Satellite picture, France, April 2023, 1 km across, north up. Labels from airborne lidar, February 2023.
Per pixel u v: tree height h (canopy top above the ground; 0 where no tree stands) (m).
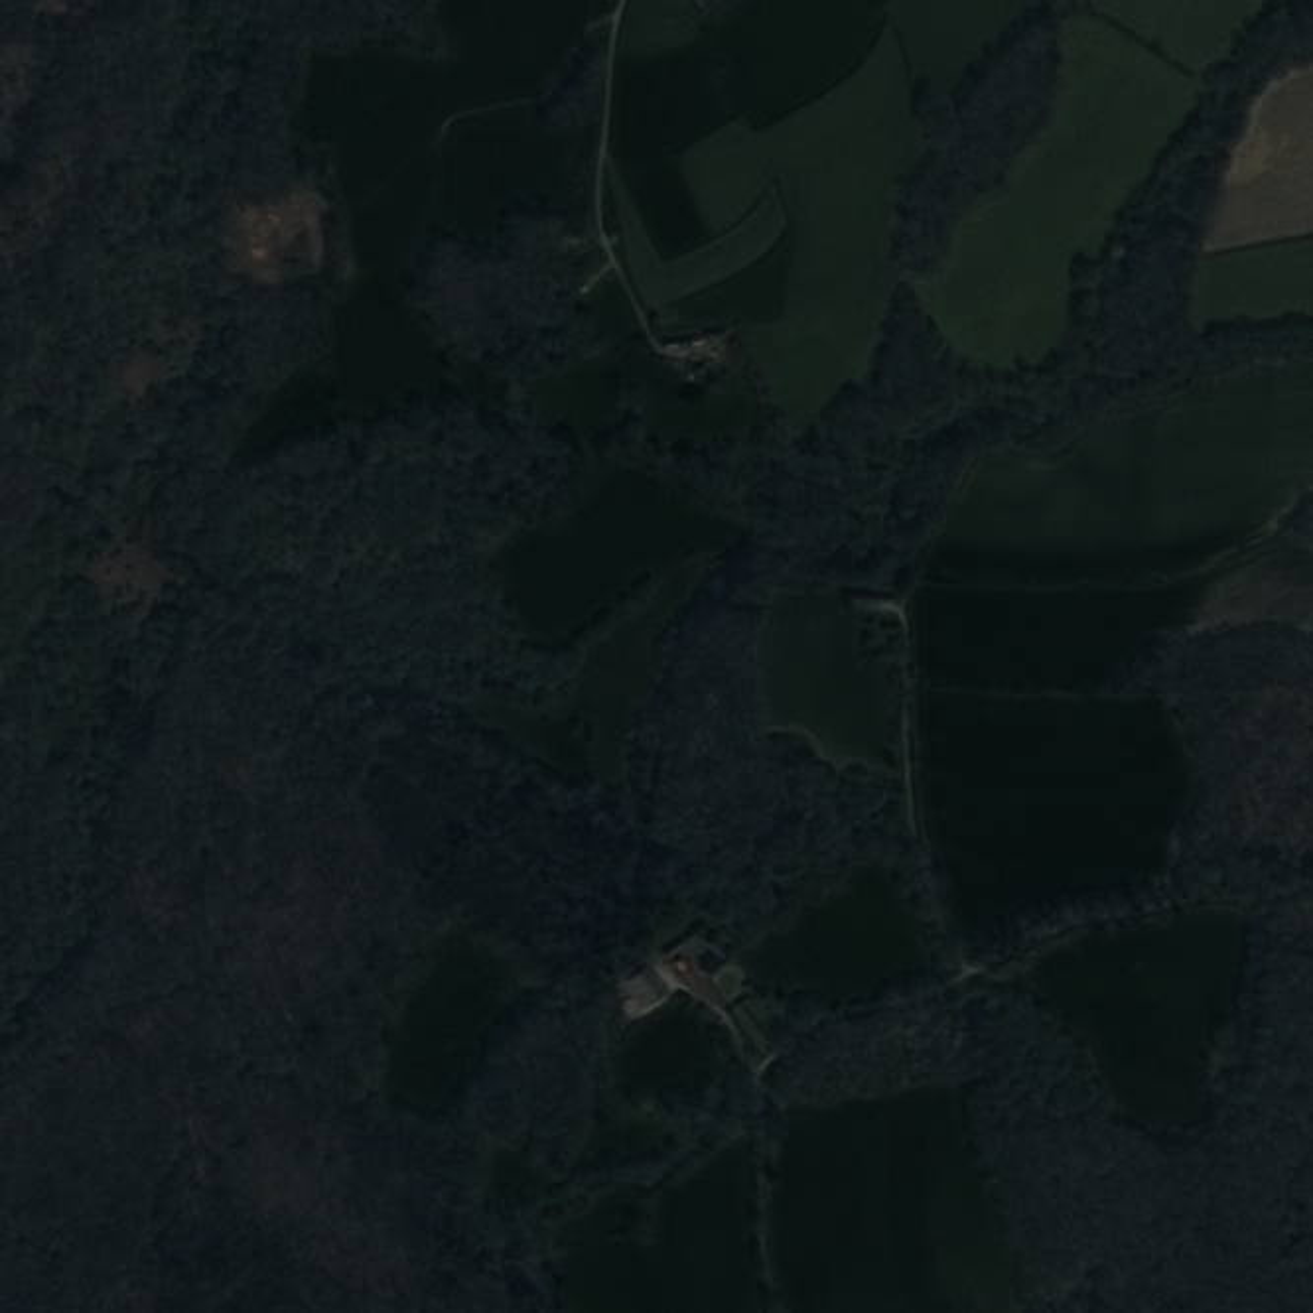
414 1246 23
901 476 7
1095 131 0
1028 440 13
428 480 9
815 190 0
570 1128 22
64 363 19
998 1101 17
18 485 17
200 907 17
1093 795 0
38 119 20
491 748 17
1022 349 0
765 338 0
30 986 11
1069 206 0
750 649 9
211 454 14
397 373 0
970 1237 0
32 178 18
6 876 12
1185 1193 19
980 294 0
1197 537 0
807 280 0
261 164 23
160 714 21
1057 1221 20
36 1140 22
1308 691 15
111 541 13
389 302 0
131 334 12
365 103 0
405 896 20
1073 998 0
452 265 20
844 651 0
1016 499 0
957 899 0
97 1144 22
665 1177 16
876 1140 0
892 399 21
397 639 14
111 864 22
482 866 15
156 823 20
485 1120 22
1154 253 20
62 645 14
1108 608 0
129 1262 9
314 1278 13
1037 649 0
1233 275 0
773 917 20
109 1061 25
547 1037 23
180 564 19
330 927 23
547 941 20
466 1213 26
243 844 18
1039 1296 15
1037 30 18
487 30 0
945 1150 0
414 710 18
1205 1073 14
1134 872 0
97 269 19
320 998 25
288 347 15
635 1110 23
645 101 0
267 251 0
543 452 17
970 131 20
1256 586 0
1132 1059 0
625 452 22
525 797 20
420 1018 0
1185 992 0
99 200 26
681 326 0
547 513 23
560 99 17
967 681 0
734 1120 21
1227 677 15
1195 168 9
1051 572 0
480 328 20
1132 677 14
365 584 12
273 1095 18
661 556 0
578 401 0
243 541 10
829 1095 18
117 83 21
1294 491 0
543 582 0
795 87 0
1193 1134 6
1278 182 0
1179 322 16
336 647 10
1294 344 18
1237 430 0
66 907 17
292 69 21
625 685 0
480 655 7
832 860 12
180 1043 21
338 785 22
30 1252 19
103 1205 22
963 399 16
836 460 21
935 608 0
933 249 14
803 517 23
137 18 20
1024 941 20
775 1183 12
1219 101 8
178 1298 10
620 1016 15
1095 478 0
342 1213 22
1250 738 18
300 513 14
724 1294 0
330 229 17
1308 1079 19
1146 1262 15
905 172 0
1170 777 0
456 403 22
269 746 22
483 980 0
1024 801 0
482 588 10
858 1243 0
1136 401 16
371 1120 17
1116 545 0
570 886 21
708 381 10
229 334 13
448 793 17
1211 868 22
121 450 16
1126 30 0
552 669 19
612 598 0
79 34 24
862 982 0
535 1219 15
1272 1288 19
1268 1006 20
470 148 0
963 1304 0
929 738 0
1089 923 16
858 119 0
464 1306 18
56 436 24
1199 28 0
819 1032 14
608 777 0
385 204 0
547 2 0
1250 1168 16
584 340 14
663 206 0
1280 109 0
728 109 0
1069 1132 22
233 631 20
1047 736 0
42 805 13
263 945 21
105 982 26
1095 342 17
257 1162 20
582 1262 0
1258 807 18
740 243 0
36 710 11
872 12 17
